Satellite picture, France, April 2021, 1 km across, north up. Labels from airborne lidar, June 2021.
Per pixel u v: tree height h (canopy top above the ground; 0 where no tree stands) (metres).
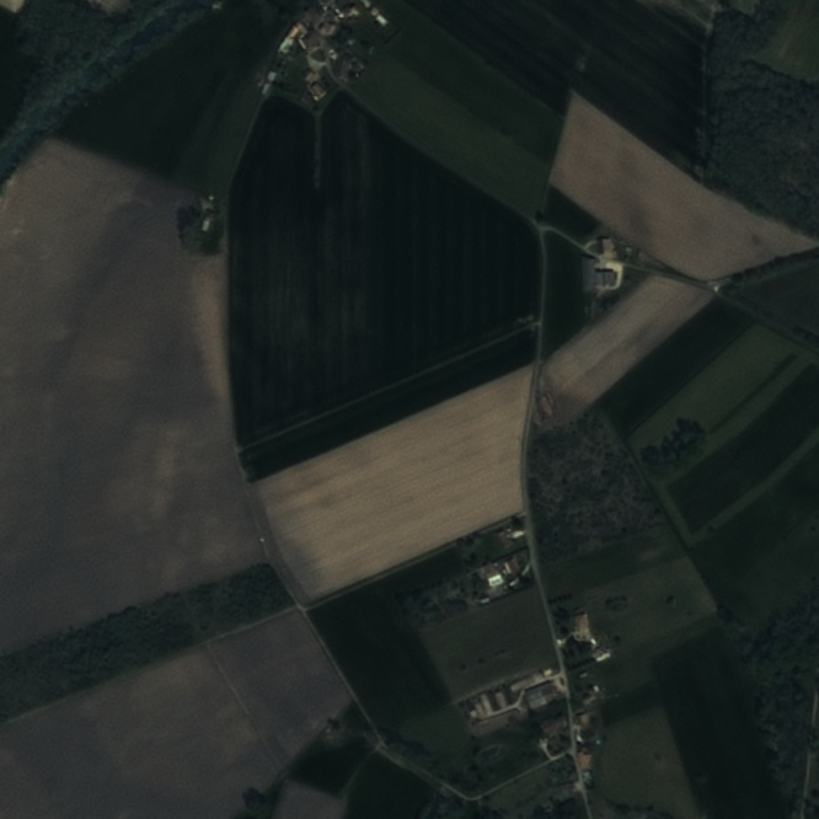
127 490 0
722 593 0
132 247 0
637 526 0
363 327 0
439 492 0
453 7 0
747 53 22
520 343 0
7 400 0
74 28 23
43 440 0
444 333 0
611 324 0
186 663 0
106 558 0
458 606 13
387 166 0
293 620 0
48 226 0
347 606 0
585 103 0
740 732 0
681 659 0
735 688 0
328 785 0
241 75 0
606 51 0
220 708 0
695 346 0
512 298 0
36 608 0
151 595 0
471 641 0
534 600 0
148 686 0
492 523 0
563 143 0
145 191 0
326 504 0
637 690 0
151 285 0
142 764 0
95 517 0
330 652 0
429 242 0
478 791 7
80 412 0
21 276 0
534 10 0
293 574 0
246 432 0
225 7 0
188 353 0
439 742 0
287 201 0
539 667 0
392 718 0
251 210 0
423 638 0
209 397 0
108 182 0
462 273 0
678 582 0
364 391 0
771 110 15
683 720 0
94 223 0
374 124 0
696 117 0
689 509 0
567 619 15
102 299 0
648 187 0
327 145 0
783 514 0
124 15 0
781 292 0
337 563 0
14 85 0
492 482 0
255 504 0
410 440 0
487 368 0
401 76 0
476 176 0
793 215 20
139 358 0
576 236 0
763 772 0
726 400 0
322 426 0
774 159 23
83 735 0
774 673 27
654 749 0
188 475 0
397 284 0
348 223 0
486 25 0
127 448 0
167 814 0
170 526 0
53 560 0
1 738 0
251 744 0
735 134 22
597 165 0
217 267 0
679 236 0
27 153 11
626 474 6
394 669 0
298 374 0
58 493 0
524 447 0
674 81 0
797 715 21
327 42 13
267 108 0
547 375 0
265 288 0
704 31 0
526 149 0
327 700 0
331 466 0
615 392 0
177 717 0
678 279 0
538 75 0
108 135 0
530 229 0
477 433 0
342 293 0
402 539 0
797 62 0
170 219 0
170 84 0
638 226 0
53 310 0
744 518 0
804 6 0
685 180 0
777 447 0
